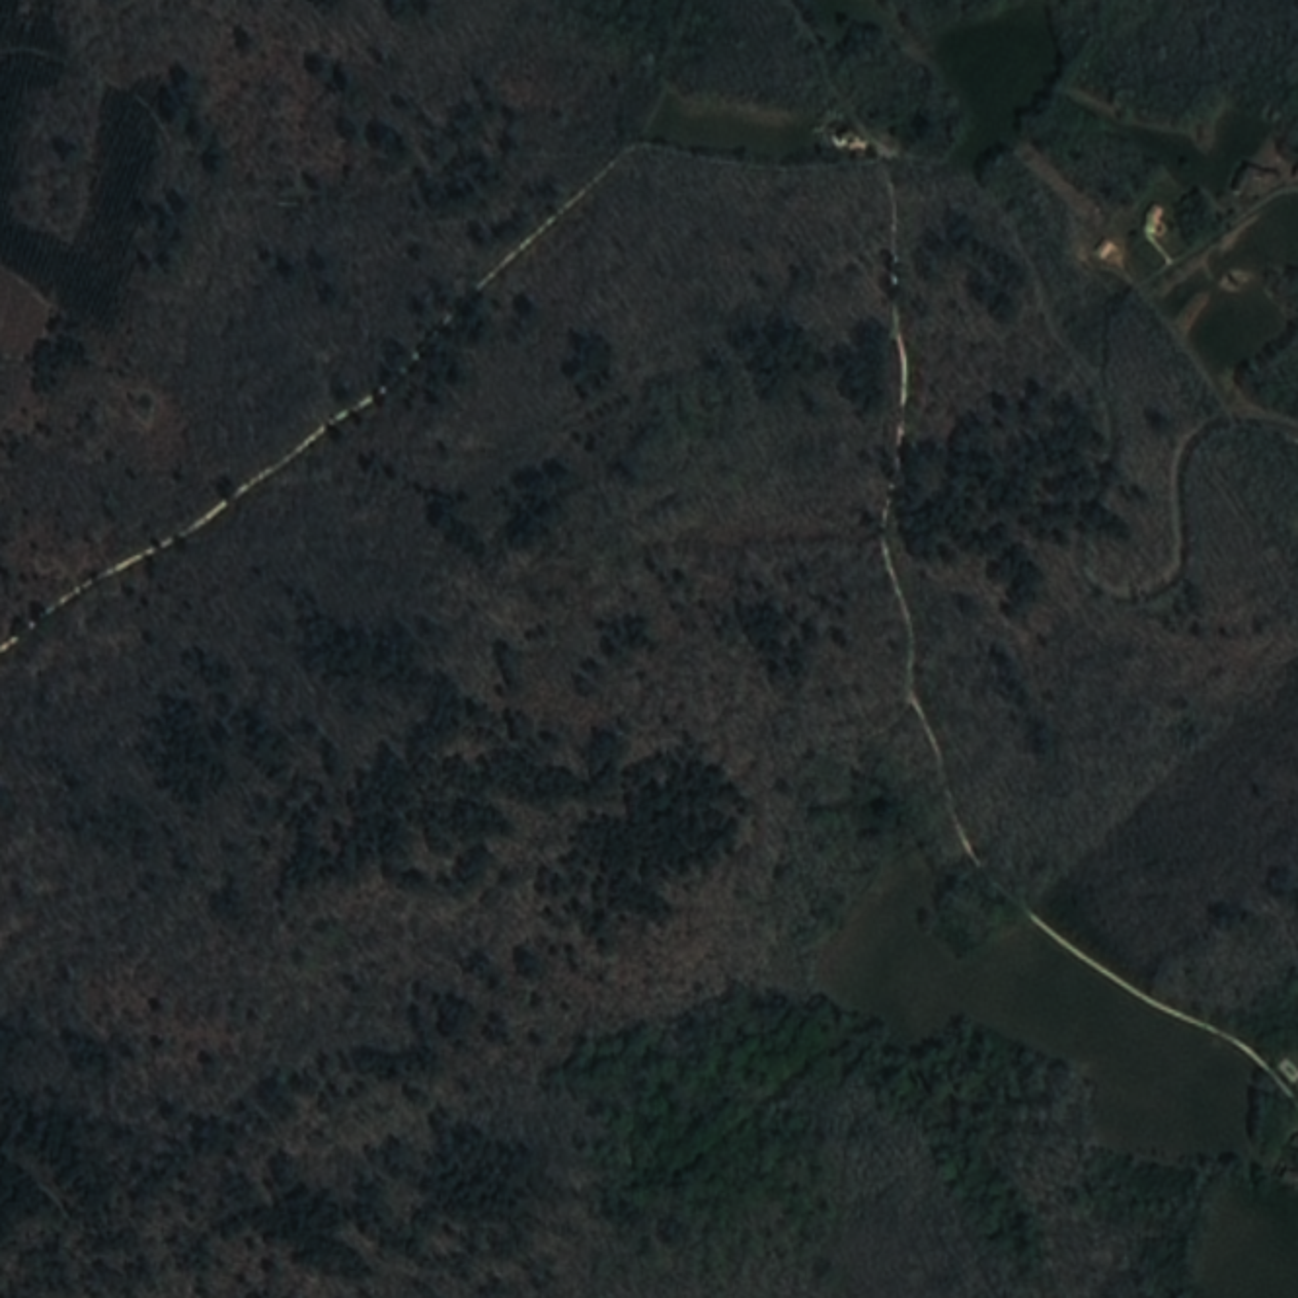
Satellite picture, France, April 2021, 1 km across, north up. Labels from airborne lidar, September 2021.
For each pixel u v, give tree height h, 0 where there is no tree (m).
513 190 12
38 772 16
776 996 15
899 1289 18
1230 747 10
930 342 10
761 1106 20
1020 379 15
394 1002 14
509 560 11
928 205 21
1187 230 12
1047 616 10
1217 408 17
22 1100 9
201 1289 16
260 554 11
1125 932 9
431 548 6
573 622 9
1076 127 20
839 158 15
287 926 15
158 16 9
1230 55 25
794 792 14
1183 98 18
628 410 14
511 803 10
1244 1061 0
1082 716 17
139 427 13
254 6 10
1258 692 8
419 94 13
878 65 23
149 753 13
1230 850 6
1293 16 23
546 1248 18
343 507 8
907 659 13
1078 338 11
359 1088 10
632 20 22
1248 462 20
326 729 14
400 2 24
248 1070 9
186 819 11
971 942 15
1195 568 16
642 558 7
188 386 7
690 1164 20
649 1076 25
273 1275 17
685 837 15
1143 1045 0
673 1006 14
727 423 18
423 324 24
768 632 15
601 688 9
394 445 6
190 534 8
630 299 11
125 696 12
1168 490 13
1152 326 19
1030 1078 22
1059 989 0
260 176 8
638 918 15
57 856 18
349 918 12
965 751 20
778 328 14
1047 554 10
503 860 10
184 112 12
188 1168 23
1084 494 27
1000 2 27
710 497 19
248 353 12
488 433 10
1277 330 0
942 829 14
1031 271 18
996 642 18
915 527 19
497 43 17
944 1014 0
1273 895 19
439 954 14
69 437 7
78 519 10
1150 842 10
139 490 6
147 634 10
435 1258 15
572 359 6
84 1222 9
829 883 16
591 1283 17
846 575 11
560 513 17
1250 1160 0
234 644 14
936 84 20
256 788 12
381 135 13
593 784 8
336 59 13
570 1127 18
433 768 21
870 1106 24
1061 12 18
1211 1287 0
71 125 9
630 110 10
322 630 25
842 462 14
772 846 14
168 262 24
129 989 13
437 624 9
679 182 18
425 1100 14
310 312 11
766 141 0
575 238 6
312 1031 15
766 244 15
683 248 14
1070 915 7
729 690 13
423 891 26
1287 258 0
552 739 11
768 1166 23
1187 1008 9
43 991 8
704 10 19
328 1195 8
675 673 9
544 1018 21
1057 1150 22
